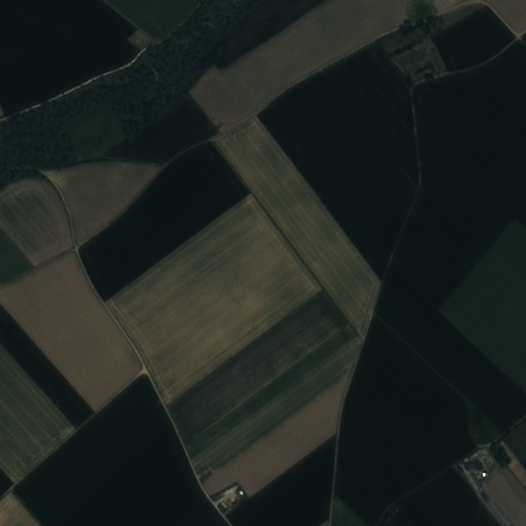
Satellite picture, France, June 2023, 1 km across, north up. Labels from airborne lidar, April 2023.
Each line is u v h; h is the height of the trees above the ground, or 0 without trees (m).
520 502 0
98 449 0
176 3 0
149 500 0
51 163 12
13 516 0
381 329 0
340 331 0
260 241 0
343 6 0
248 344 0
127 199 0
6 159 15
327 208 0
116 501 0
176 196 0
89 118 0
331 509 0
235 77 0
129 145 0
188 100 0
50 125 15
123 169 0
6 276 0
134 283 0
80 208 0
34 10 0
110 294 0
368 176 0
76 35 0
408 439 0
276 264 0
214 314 0
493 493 0
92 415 0
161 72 9
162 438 0
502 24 0
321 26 0
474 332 0
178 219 0
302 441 0
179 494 0
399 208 0
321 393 0
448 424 0
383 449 0
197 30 7
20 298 0
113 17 0
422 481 0
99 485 0
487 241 0
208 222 0
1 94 0
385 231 0
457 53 0
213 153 0
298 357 0
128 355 0
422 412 0
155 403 0
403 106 0
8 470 0
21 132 17
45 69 0
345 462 0
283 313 0
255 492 0
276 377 0
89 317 0
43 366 0
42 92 0
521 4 0
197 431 0
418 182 0
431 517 0
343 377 0
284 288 0
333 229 0
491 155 0
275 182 0
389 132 0
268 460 0
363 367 0
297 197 0
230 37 0
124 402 0
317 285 0
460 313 0
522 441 0
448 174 0
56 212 0
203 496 0
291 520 0
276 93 0
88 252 0
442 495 0
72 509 0
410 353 0
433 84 0
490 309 0
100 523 0
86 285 0
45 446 0
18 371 0
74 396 0
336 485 0
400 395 0
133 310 0
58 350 0
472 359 0
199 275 0
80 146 0
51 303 0
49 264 0
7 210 0
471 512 0
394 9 0
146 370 0
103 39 0
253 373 0
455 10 0
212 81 0
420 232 0
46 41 0
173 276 0
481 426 0
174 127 0
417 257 0
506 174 0
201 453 0
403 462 0
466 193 0
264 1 0
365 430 0
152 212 0
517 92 0
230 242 0
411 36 0
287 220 0
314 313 0
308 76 0
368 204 0
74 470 0
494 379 0
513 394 0
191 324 0
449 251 0
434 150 0
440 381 0
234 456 0
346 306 0
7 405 0
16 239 0
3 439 0
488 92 0
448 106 0
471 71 0
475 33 0
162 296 0
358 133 0
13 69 0
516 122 0
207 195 0
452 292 0
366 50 0
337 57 0
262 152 0
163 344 0
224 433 0
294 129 0
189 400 0
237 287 0
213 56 13
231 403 0
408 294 0
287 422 0
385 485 0
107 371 0
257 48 0
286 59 0
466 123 0
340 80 0
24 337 0
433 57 0
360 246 0
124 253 0
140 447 0
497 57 0
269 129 0
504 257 0
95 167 0
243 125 0
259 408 0
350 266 0
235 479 0
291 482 0
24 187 0
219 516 0
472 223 0
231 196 0
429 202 0
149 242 0
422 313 0
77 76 0
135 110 21
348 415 0
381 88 0
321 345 0
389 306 0
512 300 0
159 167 0
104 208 0
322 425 0
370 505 0
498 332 0
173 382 0
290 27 0
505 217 0
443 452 0
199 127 0
